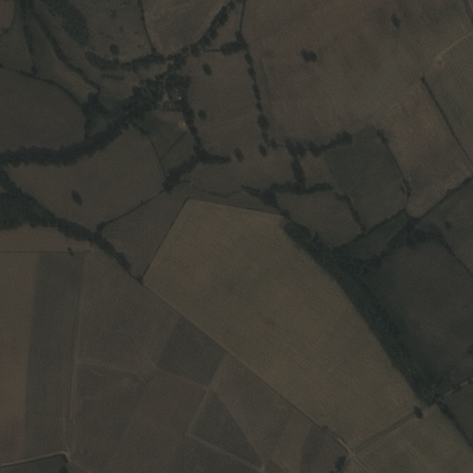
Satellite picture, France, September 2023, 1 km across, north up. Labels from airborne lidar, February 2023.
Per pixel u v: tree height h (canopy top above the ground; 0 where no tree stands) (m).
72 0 0
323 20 0
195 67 0
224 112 0
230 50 15
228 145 0
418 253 0
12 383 0
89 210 0
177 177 14
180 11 0
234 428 0
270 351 0
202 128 0
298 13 0
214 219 0
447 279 0
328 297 0
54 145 0
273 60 0
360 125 0
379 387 0
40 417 0
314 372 0
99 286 0
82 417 0
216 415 0
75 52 0
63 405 0
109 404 0
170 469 0
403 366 34
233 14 0
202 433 0
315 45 0
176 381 0
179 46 0
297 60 0
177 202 0
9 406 0
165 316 0
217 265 0
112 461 0
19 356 0
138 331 0
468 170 0
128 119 13
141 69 0
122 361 0
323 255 28
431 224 0
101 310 0
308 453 0
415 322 0
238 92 0
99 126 0
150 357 0
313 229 0
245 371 0
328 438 0
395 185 0
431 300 0
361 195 0
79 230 20
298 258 0
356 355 0
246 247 0
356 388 0
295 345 0
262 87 0
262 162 0
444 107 0
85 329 0
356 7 0
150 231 0
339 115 0
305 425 0
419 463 0
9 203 20
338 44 0
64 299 0
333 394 0
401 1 0
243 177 0
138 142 0
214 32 16
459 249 0
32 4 13
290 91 0
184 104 13
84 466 0
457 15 0
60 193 0
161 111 0
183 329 0
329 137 0
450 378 0
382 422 0
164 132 0
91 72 0
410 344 0
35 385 0
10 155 16
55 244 0
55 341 0
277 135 0
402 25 0
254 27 0
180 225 0
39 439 0
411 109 0
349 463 0
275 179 0
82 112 11
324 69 0
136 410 0
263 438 0
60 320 0
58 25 0
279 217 0
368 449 0
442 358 0
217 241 0
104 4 0
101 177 0
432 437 0
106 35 0
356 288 32
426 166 0
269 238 0
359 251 0
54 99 0
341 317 0
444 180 0
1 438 0
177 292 0
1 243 0
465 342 0
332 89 0
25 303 0
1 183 12
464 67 0
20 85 0
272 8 0
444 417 0
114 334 0
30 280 0
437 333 0
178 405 0
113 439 0
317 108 0
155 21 0
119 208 0
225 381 0
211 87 0
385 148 0
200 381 0
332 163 0
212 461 0
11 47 0
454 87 0
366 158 0
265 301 0
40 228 0
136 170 0
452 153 0
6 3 0
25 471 0
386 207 0
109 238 0
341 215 0
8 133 0
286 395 0
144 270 0
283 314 0
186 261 0
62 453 0
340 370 0
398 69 0
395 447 0
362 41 0
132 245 0
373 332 24
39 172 0
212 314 0
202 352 0
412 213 0
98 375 0
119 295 0
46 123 0
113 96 0
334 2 0
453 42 0
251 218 0
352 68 0
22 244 0
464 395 0
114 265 0
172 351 0
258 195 7
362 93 0
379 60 0
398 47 0
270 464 0
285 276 0
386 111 0
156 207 0
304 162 0
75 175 0
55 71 0
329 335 0
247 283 0
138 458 0
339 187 0
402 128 0
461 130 0
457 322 0
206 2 0
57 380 0
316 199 0
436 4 0
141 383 0
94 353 0
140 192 0
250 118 0
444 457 0
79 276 0
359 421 0
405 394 0
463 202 0
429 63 0
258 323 0
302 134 0
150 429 0
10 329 0
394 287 0
